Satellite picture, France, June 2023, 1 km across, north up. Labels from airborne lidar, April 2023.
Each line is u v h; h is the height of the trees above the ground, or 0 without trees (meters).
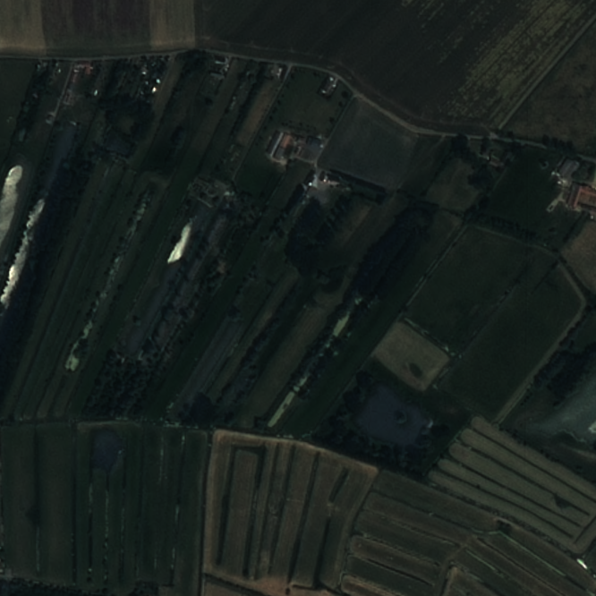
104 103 12
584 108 0
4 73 0
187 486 0
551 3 0
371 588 0
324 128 0
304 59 0
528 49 0
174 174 0
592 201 0
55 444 0
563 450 0
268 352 0
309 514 0
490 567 0
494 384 0
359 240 0
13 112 0
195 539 0
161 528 0
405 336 0
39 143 0
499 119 0
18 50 0
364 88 0
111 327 0
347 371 0
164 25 0
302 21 0
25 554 0
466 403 0
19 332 27
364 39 0
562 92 0
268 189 0
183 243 0
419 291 0
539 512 0
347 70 0
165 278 0
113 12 0
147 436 0
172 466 0
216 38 0
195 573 0
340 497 0
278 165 0
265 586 0
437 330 0
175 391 0
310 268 25
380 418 0
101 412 7
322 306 0
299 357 0
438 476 0
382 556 0
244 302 0
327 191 0
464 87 0
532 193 0
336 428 24
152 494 0
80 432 0
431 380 0
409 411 0
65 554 0
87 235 0
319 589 8
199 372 0
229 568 0
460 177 0
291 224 0
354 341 0
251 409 0
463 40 0
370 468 0
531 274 0
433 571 0
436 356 0
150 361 12
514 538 0
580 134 0
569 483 0
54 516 0
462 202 0
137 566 0
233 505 0
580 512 0
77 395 0
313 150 0
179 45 0
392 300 0
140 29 0
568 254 0
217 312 0
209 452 0
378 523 0
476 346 0
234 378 0
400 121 0
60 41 0
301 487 0
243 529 0
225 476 0
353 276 0
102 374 6
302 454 0
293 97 0
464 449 0
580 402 0
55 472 0
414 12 0
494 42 0
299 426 0
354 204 0
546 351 0
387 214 0
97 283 0
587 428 0
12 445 0
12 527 0
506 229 19
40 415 0
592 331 0
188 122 0
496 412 0
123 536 0
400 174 0
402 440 0
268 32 0
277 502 0
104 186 0
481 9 0
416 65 0
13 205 0
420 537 0
